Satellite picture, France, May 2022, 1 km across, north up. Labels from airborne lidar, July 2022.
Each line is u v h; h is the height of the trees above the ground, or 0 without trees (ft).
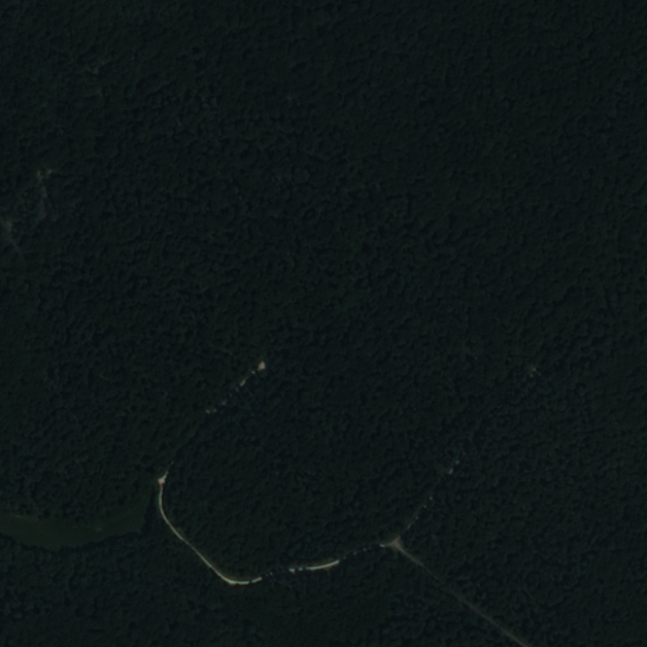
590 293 73
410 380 93
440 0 91
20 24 91
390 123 93
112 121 106
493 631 44
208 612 100
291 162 99
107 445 81
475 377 102
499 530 95
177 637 107
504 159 88
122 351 73
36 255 85
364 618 54
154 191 96
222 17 93
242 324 83
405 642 22
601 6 89
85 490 64
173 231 82
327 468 87
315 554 94
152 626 114
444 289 87
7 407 99
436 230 94
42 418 70
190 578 34
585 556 103
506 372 75
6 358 91
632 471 95
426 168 104
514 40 93
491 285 99
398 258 76
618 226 73
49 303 87
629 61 98
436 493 82
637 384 81
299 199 90
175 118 93
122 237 87
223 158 105
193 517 90
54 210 79
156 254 90
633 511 109
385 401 95
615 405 93
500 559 106
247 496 84
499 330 95
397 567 81
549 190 94
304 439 94
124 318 79
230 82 103
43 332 88
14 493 80
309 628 53
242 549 66
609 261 55
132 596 109
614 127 98
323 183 92
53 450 79
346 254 91
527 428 99
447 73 94
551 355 84
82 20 103
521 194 102
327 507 95
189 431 86
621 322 69
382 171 99
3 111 76
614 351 83
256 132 97
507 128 97
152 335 85
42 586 92
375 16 99
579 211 84
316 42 106
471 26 95
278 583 81
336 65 80
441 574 53
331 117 111
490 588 97
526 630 58
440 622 89
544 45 84
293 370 84
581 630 106
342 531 83
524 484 95
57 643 109
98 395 86
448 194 94
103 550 70
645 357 58
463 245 93
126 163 92
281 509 89
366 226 84
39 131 56
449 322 96
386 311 91
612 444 98
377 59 98
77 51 88
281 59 97
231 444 85
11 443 84
